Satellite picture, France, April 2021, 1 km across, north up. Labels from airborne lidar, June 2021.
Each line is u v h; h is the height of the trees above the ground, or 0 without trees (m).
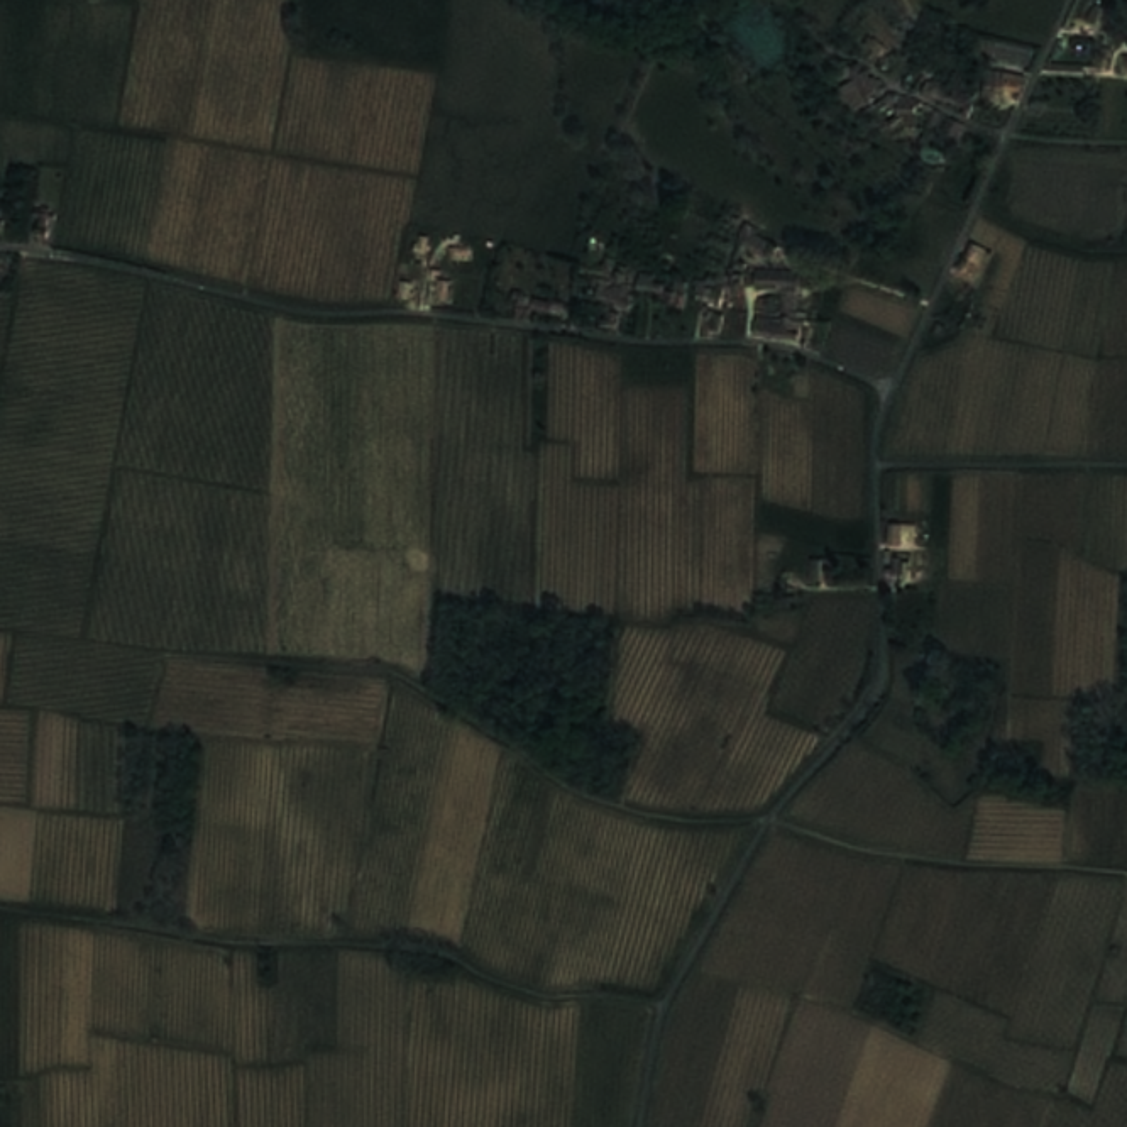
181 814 7
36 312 0
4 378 0
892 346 0
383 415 0
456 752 0
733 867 0
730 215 7
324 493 0
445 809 0
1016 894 0
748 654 0
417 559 0
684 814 0
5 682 0
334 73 0
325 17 0
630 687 0
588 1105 0
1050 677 0
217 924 0
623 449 0
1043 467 0
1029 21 0
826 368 0
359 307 0
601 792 13
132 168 0
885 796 0
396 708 0
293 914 0
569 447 0
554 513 0
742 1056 0
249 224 0
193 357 0
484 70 0
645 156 15
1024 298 0
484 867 0
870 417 0
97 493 0
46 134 0
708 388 0
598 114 0
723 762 0
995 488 0
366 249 0
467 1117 0
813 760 0
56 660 0
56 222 0
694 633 0
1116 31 13
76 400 0
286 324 0
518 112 0
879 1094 0
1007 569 0
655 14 24
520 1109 0
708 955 0
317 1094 0
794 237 0
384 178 0
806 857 0
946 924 0
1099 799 0
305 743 0
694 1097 0
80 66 0
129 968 0
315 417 0
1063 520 0
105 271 0
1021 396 0
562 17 18
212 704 0
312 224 0
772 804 0
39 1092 0
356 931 0
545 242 0
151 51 0
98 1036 0
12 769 0
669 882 0
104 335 0
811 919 0
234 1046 0
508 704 12
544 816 0
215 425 0
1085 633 0
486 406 0
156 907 14
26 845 0
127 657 0
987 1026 0
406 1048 0
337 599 0
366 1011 0
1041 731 0
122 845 0
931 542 0
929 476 0
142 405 0
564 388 0
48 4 0
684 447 0
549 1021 0
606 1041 0
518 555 0
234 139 0
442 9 0
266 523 0
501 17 0
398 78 0
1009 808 0
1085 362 0
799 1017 0
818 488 0
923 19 7
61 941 0
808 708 0
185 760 15
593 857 0
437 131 0
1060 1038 0
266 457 0
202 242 0
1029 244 0
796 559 0
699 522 0
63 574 0
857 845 0
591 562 0
